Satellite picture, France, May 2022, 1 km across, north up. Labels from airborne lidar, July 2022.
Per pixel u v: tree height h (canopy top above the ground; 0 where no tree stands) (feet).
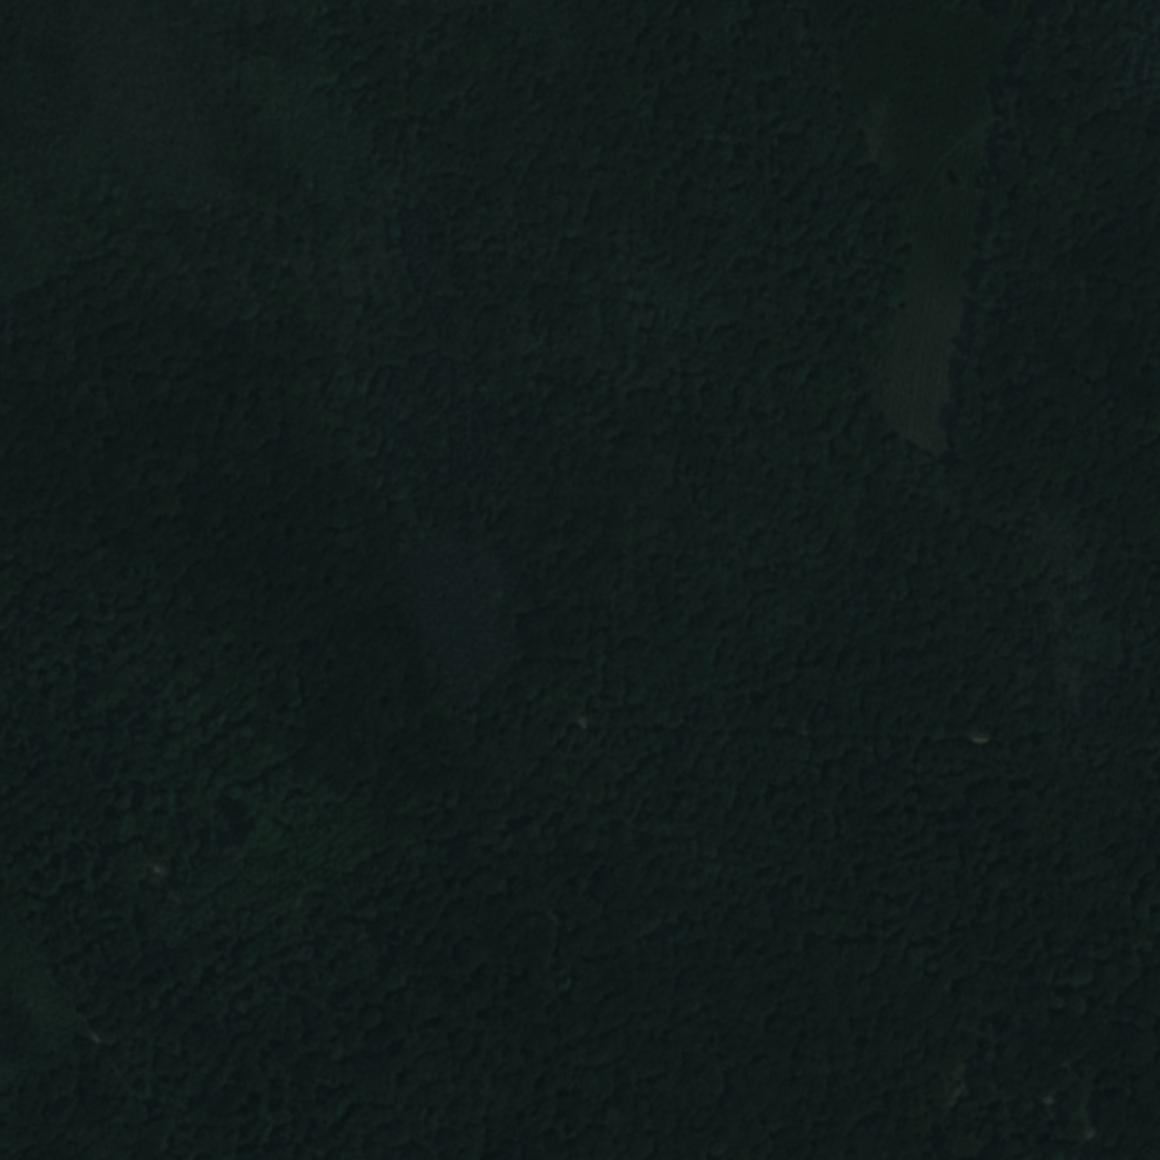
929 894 66
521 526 84
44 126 71
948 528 87
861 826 79
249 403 60
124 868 101
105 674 74
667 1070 97
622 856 88
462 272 91
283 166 68
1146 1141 91
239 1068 70
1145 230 101
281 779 80
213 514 94
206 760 56
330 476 92
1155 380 101
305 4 75
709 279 77
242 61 75
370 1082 73
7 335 75
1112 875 75
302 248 70
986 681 68
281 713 86
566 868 90
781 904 95
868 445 56
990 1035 93
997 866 82
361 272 57
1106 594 83
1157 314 88
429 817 86
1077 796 54
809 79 87
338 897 79
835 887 59
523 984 97
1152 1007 62
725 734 73
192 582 91
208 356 65
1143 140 87
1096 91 97
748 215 85
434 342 62
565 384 86
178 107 73
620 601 73
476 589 84
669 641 69
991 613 76
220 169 61
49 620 87
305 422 89
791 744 81
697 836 83
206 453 76
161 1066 94
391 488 82
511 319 75
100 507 82
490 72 77
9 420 88
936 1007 85
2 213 57
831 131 78
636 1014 81
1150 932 75
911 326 0
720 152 85
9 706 94
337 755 88
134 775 68
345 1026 87
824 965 87
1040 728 84
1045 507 70
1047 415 89
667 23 52
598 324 81
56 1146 75
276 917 49
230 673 66
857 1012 99
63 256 51
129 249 61
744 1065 79
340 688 92
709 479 80
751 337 84
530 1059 74
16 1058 69
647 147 80
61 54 71
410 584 83
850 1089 82
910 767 74
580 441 76
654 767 65
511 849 79
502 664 79
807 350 76
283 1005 74
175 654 65
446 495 79
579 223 86
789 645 84
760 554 77
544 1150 91
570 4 63
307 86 69
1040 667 74
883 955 77
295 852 67
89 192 67
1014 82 52
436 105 69
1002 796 68
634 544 71
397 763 101
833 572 74
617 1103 72
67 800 86
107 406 96
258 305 60
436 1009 86
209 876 88
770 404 41
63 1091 70
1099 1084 90
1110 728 69
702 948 90
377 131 72
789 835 79
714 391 82
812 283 51
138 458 84
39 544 75
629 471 92
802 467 66
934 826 55
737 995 83
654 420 89
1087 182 82
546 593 77
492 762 81
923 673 72
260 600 77
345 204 74
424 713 91
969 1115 35
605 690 52
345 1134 62
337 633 97
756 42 83
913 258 73
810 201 30
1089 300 92
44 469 81
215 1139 80
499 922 96
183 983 74
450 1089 62
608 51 86
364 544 88
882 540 69
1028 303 84
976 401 83
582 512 93
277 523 96
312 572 96
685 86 87
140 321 73
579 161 76
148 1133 81
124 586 80
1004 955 62
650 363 91
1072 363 88
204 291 72
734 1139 91
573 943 96
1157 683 81
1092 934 66
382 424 78
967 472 70
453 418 63
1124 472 89
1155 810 53
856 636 74
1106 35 72
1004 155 84
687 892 64
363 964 70
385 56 92
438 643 85
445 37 77
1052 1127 68
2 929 53
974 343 86
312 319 63
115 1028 64
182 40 69
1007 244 74
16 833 86
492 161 91
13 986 47
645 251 82
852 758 85
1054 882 79
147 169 73
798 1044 75
